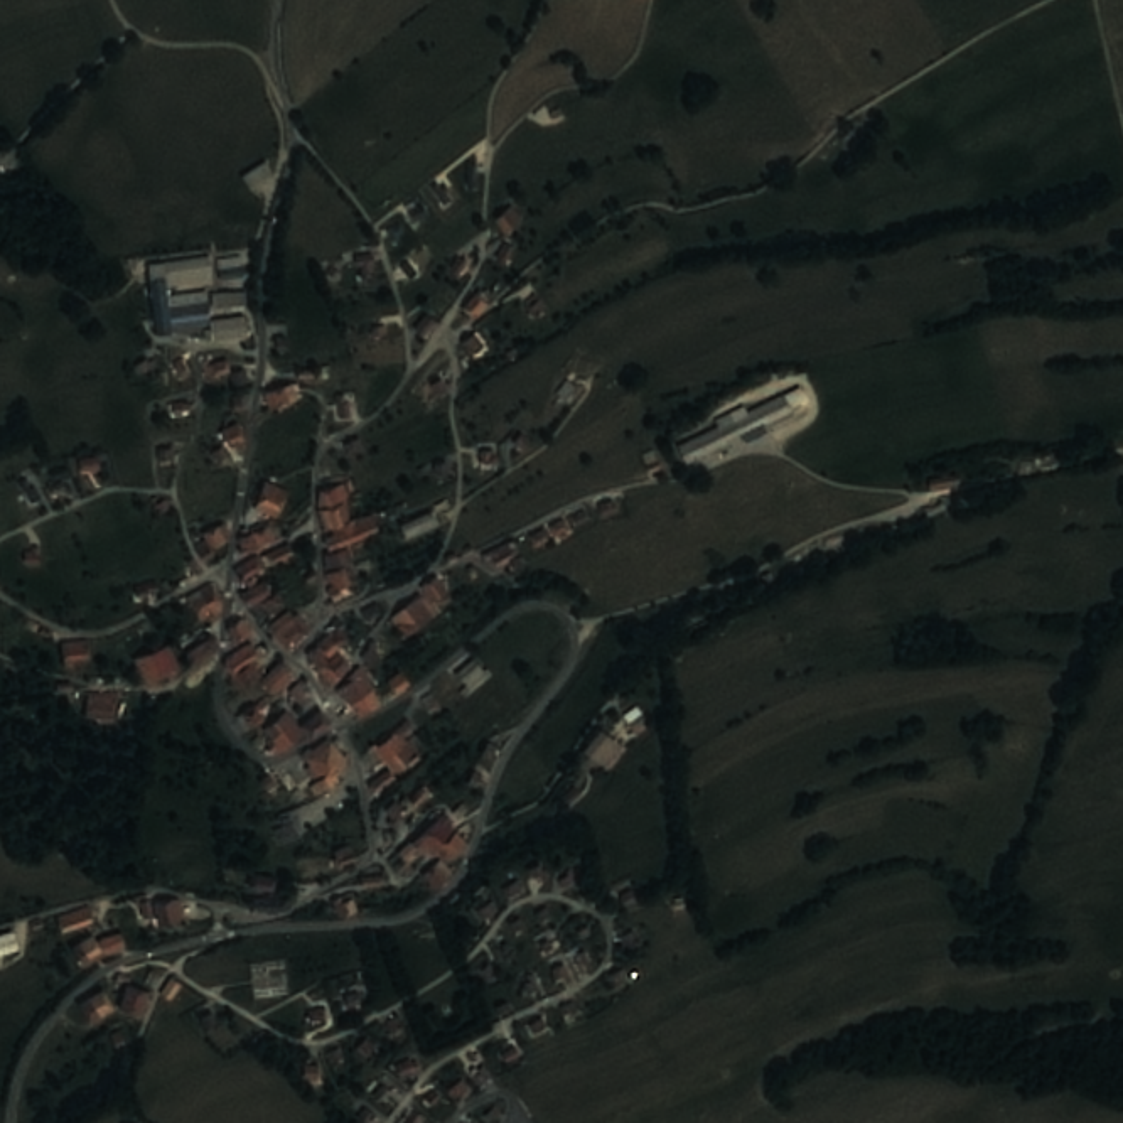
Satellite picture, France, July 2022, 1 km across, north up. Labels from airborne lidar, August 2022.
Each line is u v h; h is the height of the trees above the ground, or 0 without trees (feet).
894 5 0
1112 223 0
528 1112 0
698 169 0
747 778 0
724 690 0
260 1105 0
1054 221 76
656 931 0
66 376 0
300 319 0
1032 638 0
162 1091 0
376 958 28
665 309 0
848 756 22
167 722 0
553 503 0
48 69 0
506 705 0
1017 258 37
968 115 0
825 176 0
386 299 41
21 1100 0
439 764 20
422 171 0
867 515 0
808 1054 43
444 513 0
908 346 0
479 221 43
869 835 0
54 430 0
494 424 0
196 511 0
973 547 0
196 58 0
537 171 0
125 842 95
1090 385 0
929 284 0
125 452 0
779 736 0
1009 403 0
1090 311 33
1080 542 0
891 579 0
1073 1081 36
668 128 0
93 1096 58
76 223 74
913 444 0
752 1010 0
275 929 0
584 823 59
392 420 30
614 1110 0
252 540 0
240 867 40
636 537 0
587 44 0
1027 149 0
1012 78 0
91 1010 0
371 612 0
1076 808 0
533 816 0
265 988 0
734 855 0
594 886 65
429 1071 0
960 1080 18
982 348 0
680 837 73
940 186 0
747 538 0
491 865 26
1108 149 0
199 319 0
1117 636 27
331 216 0
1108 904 0
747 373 39
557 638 0
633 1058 0
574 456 0
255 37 0
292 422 0
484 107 0
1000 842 0
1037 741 0
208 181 0
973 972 0
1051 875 0
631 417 0
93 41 0
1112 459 41
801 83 0
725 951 50
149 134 0
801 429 0
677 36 0
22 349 0
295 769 0
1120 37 0
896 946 0
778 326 0
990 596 0
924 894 0
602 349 0
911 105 0
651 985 0
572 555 0
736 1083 0
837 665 0
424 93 0
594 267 0
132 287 0
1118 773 0
